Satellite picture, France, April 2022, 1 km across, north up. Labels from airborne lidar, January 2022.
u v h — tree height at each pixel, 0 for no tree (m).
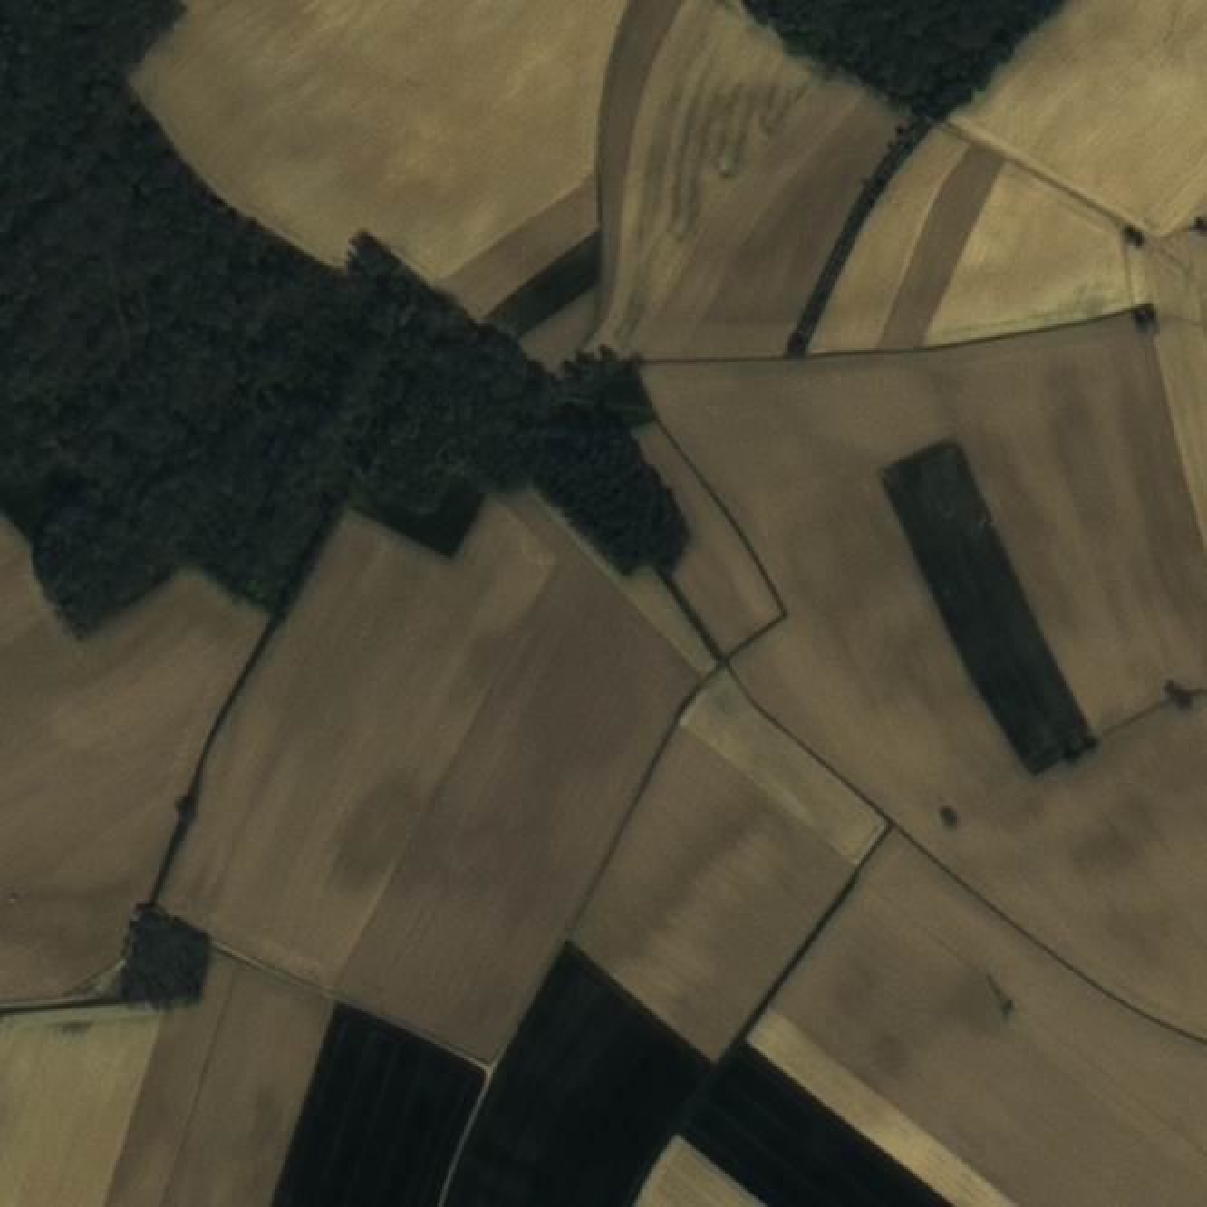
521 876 0
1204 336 0
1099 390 0
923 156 0
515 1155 0
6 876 0
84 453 31
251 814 0
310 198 0
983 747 0
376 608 0
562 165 0
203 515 27
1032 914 0
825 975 0
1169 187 0
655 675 0
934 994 0
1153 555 0
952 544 0
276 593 22
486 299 0
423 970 0
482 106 0
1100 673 0
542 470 30
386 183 0
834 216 0
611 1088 0
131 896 0
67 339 28
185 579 0
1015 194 0
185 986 25
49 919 0
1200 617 0
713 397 0
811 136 0
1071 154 0
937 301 0
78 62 33
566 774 0
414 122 0
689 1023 0
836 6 37
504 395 26
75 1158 0
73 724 0
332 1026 0
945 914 0
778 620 0
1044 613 0
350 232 0
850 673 0
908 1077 0
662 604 0
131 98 26
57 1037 0
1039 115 0
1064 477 0
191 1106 0
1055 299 0
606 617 0
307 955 0
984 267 0
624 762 0
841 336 0
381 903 0
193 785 0
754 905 0
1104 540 0
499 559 0
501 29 0
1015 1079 0
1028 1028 0
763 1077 0
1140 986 0
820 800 0
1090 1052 0
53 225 38
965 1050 0
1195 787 0
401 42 0
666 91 0
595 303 0
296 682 0
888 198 0
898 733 0
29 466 23
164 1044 0
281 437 31
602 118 0
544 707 0
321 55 0
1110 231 0
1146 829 0
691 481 0
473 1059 0
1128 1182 0
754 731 0
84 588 33
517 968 0
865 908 0
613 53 0
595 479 40
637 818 0
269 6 0
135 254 35
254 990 0
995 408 0
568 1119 0
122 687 0
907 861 0
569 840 0
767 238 0
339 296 26
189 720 0
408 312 33
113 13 37
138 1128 0
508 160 0
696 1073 0
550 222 0
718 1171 0
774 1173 0
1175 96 0
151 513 38
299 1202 0
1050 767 0
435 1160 0
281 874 0
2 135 39
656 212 0
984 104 0
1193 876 0
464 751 0
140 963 20
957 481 0
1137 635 0
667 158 0
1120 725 0
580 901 0
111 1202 0
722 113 0
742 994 0
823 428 0
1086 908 0
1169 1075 0
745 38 0
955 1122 0
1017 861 0
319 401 25
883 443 0
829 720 0
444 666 0
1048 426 0
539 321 0
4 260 34
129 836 0
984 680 0
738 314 0
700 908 0
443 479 24
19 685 0
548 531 0
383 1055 0
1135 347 0
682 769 0
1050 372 0
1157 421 0
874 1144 0
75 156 38
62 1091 0
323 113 0
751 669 0
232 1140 0
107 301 30
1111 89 0
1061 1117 0
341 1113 0
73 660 0
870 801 0
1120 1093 0
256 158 0
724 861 0
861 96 0
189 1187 0
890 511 0
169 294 28
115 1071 0
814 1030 0
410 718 0
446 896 0
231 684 0
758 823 0
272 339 10
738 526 0
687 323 0
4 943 0
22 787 0
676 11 0
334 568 0
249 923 0
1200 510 0
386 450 24
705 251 0
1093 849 0
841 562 0
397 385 34
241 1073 0
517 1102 0
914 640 0
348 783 0
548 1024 0
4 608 0
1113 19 0
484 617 0
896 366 0
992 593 0
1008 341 0
